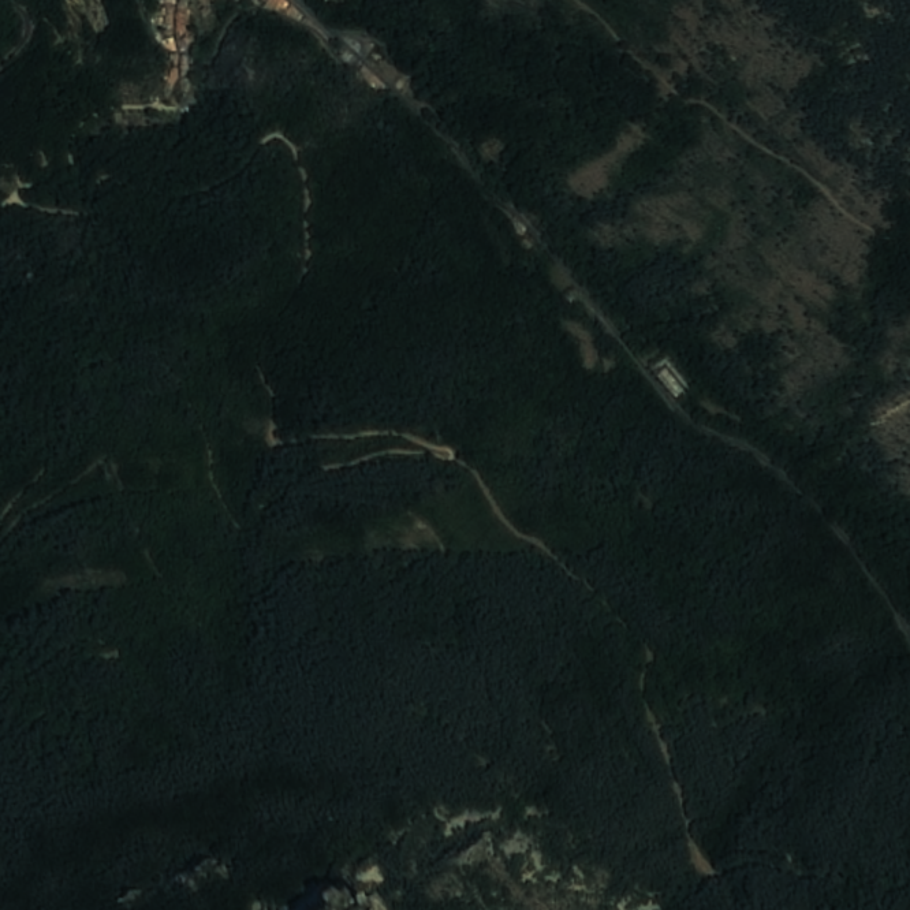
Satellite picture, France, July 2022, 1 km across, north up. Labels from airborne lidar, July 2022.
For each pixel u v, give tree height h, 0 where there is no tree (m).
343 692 25
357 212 18
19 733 22
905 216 11
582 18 8
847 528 16
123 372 8
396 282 27
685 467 22
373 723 23
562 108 10
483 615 23
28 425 11
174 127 17
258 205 11
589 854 15
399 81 0
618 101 10
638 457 21
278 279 13
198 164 14
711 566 14
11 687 13
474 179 9
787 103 10
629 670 20
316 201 10
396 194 14
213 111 10
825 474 22
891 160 11
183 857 8
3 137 20
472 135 21
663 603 17
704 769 20
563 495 8
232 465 16
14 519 7
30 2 12
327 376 24
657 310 15
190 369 10
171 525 12
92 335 16
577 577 13
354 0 9
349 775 25
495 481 6
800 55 7
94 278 9
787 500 18
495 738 21
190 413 21
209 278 13
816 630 14
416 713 12
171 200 12
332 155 10
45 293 10
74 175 24
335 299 25
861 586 11
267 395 13
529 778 16
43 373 12
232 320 13
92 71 15
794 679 11
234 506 13
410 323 18
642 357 12
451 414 16
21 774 19
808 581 16
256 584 14
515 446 6
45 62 22
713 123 8
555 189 10
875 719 16
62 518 22
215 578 15
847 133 11
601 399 14
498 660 22
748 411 19
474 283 15
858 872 12
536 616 18
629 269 6
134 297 17
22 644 13
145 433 10
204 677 21
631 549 13
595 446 15
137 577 6
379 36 14
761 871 22
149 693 23
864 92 8
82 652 13
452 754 22
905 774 23
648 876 20
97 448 10
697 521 12
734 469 17
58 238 9
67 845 23
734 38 0
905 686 17
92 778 11
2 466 10
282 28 13
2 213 20
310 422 17
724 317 7
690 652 14
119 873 13
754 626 16
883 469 13
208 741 22
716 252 7
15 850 20
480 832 12
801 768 21
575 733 18
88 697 13
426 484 18
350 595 20
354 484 16
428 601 21
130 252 12
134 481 6
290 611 24
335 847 12
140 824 18
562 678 18
